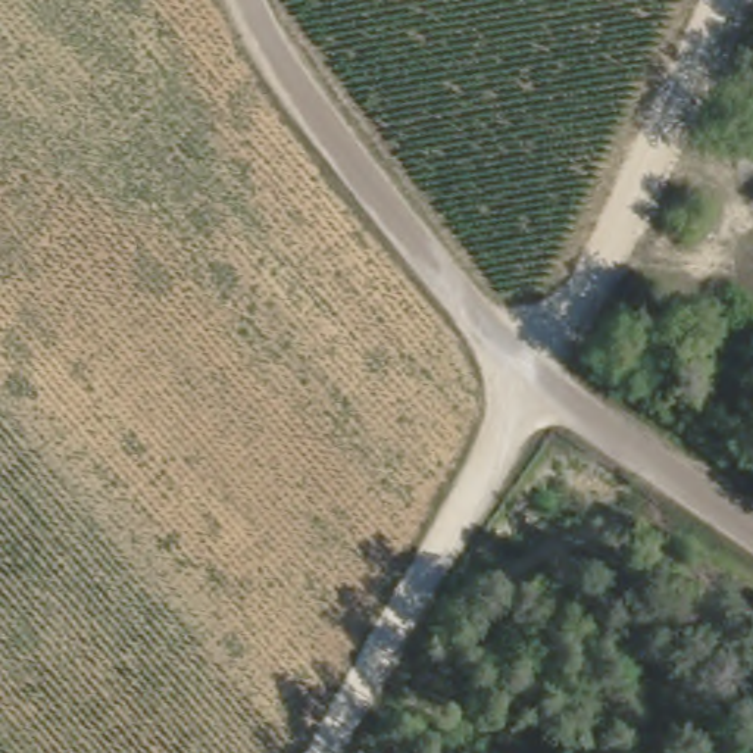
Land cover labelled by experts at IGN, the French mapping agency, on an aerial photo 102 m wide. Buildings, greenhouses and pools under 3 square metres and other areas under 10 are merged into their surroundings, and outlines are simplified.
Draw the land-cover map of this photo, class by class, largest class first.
<instances>
[{"label":"vineyard","instance_id":"1","mask_svg":"<svg viewBox=\"0 0 753 753\"><path fill-rule=\"evenodd\" d=\"M491 341L468 315L465 297L444 309V303L412 271V265L397 253L385 232L362 209V203L350 194V188L338 179V174L329 168V162L309 141V135L288 115L271 82L265 79L253 53L244 47V38L224 0H0V753H306L318 729L306 727L303 718L312 715L324 721L329 715L335 694L347 685V674L356 671L353 662L365 653L377 618L382 615V609H388L391 594L397 582L406 577L409 565L421 556V547L432 524L441 515V506L447 503L450 491L456 488V479L462 477L474 453V444L485 421V379L477 362V350ZM285 6L279 21L285 24L288 38L297 44L300 56L315 71L318 82L338 106L344 121L356 129L371 156L388 171L403 197L427 221V226L435 232L450 259L468 274V279L477 282L482 291L491 288L494 300L512 312L518 306L541 303L544 297H550V285L565 274V259L579 262V256L588 250V238L597 229L606 200L612 197L629 144L635 141V135H641L632 126V112L644 94L647 71L653 62L665 68L671 59H677V44L668 41L674 29L691 26V15L703 0H279ZM535 371L541 388L553 400H559L577 379L556 359L547 350H541L535 356Z\"/></svg>","mask_w":753,"mask_h":753},{"label":"coniferous trees","instance_id":"2","mask_svg":"<svg viewBox=\"0 0 753 753\"><path fill-rule=\"evenodd\" d=\"M703 65L709 71L712 91L706 94L700 109H685L679 115V147L712 153L718 159L753 156V3L747 6L738 29H729L727 24H709ZM635 215L644 218L650 226L662 232L674 247L694 250L706 241L709 229L721 224L715 215L703 209L700 194L691 185L668 179L647 203H635ZM615 279L603 291L600 306L577 318L574 329L579 341H568L556 359L577 379L582 382L594 371L588 365V353L600 341H609L615 335L618 315L647 312L650 318H671L677 309L668 294L656 297V282L650 276L621 265H612ZM674 418L685 427L682 435L674 441L691 459H700L706 465L709 479H715L732 503H738L744 512H753V321L729 329L724 344L718 347L712 391L703 400V406L697 409L691 403H682L671 409ZM618 553L609 565H565L562 577L553 582H544L541 577L529 582H509L503 571L485 574L477 585H471L465 594L447 603V609L432 624V659L424 665V674L450 706H432L415 694L388 697L382 691L368 703L362 721L353 727L341 753H753V588L729 594L721 582H712V588L700 597L697 588L677 585L653 565L644 571L632 568L629 547H615Z\"/></svg>","mask_w":753,"mask_h":753},{"label":"herbaceous vegetation","instance_id":"3","mask_svg":"<svg viewBox=\"0 0 753 753\"><path fill-rule=\"evenodd\" d=\"M668 179L691 185L700 194L703 209L715 215L721 224L709 229L706 241L694 250L674 247L662 232L650 226L621 265L650 276L656 282V297L668 294H688L703 276H727L735 288L753 291V156L718 159L712 153L679 147L677 168ZM615 547H629L632 568L644 571L653 565L677 585L697 588L700 597L712 588V582H721L729 594L753 588V556L729 538H724L721 532H715L709 524L697 521L674 500H668L665 494H659L656 488H650L647 482H641L635 474L624 471L615 459L582 441L579 435H574L565 427H544L524 444L518 462L512 465L491 506L485 509L479 524L465 529L462 550L444 568L432 597L412 621L415 627L406 632L400 650L394 653V665H388L385 671L382 691L388 697L415 694L432 706H450L424 674V665L432 659V624L447 609V603L465 594L471 585H477L485 574L503 571L509 582H529L541 577L544 582H553L562 577L565 565H609L618 553Z\"/></svg>","mask_w":753,"mask_h":753},{"label":"pervious surface","instance_id":"4","mask_svg":"<svg viewBox=\"0 0 753 753\"><path fill-rule=\"evenodd\" d=\"M753 3V0H703L691 15V26L674 29L668 41L677 44V59H671L665 68L653 62L647 71L644 94L632 112V126L641 135H635V141L629 144L612 197L606 200L597 229L588 238V250L579 256V262L565 259V274L550 285V297H544L541 303L518 306L512 312L521 324V338L527 344L518 353H512L491 341L477 350V362L485 379V421L474 444V453L462 477L456 479V488L450 491L447 503L441 506V515L432 524L421 547V556L409 565L406 577L397 582L391 594L388 609H382V615L377 618L365 653L353 662L356 671L347 674V685L335 694L329 715L324 721L312 715L303 718L306 727L318 729L306 753H341L353 727L362 721L368 703L382 691L385 671L388 665H394V653L400 650L406 632L415 627L412 621L432 597L444 568L462 550L465 529L479 524L485 509L491 506L512 465L518 462L524 444L544 427H565L574 435H579L585 432L588 421L577 418L559 400H553L541 388L535 371V356L541 350H547L556 359L568 341H579L574 329L577 318L600 306L603 291L615 279L612 265H621L650 226L644 218L635 215V203H647L668 179L677 168L679 147V115L685 109H700L706 94L712 91L709 71L703 65L709 24H727L729 29H738L747 6Z\"/></svg>","mask_w":753,"mask_h":753},{"label":"impervious surface","instance_id":"5","mask_svg":"<svg viewBox=\"0 0 753 753\"><path fill-rule=\"evenodd\" d=\"M244 38V47L253 53L265 79L271 82L288 115L309 135V141L329 162V168L338 174V179L350 188V194L362 203V209L385 232L397 253L412 265V271L444 303V309L465 297L468 315L491 341L512 353H518L527 344L521 338V324L512 312L494 300L491 288L482 291L477 282L468 279V274L450 259L435 232L427 226V221L403 197L388 171L371 156L356 129L344 121L338 106L318 82L315 71L300 56L297 44L288 38L285 24L279 21L285 6L279 0H224ZM577 418L588 421L585 432L579 435L582 441L615 459L624 471L635 474L641 482H647L650 488H656L659 494H665L668 500H674L697 521L709 524L715 532H721L724 538H729L753 556V512H744L738 503H732L715 479H709L706 465L700 459H691L674 441L647 427L644 421H638L635 415L606 403L582 382L577 379L559 400Z\"/></svg>","mask_w":753,"mask_h":753},{"label":"deciduous trees","instance_id":"6","mask_svg":"<svg viewBox=\"0 0 753 753\"><path fill-rule=\"evenodd\" d=\"M677 309L671 318H650L647 312L618 315L615 335L609 341H600L588 353V365L594 371L582 382L606 403L635 415L638 421H644L647 427L674 441L682 435L685 427L674 418L671 409L682 403H691L697 409L703 406V400L712 391L718 347L724 344L729 329L753 321V291L735 288L727 276H703L688 294H668Z\"/></svg>","mask_w":753,"mask_h":753}]
</instances>
